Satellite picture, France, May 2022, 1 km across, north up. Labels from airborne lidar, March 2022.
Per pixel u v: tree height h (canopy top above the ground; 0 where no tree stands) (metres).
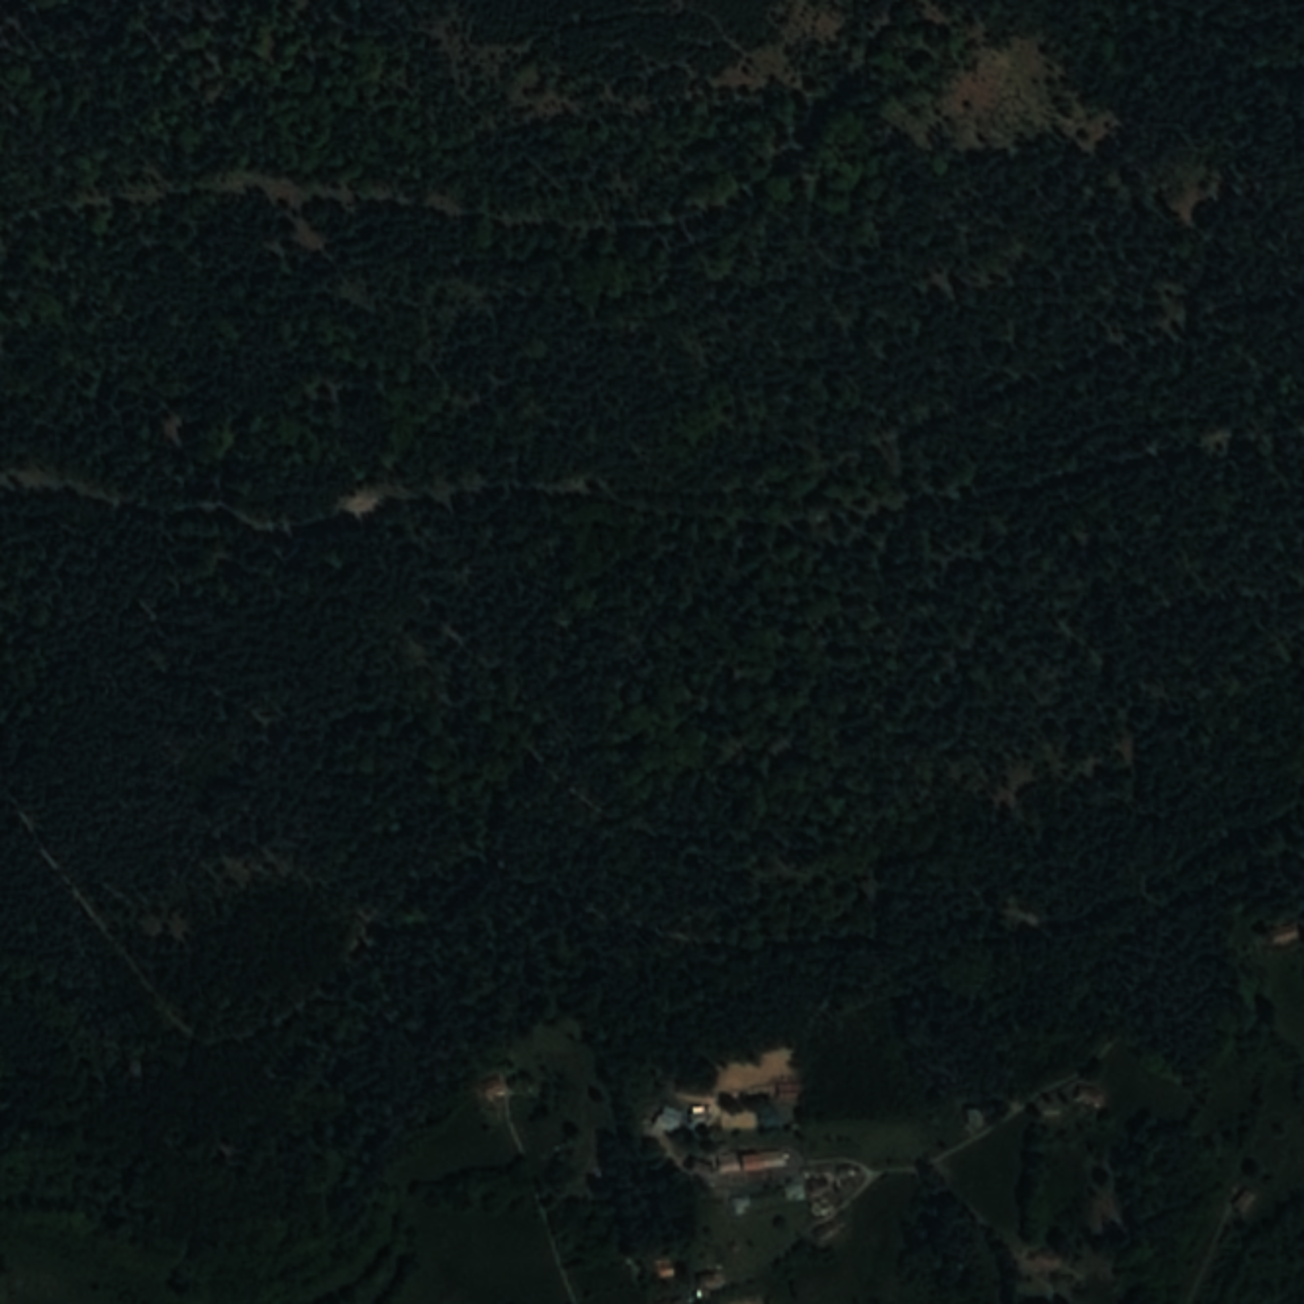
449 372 17
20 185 18
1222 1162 19
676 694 26
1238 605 29
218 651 27
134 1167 16
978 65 7
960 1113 0
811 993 26
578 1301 0
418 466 20
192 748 28
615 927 31
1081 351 27
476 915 25
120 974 18
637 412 24
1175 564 29
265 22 21
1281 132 26
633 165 17
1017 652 24
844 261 28
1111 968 22
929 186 23
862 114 14
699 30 12
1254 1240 15
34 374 22
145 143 19
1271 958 0
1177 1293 12
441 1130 11
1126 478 25
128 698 24
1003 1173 0
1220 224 28
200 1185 23
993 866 23
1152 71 26
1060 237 24
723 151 22
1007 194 26
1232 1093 0
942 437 23
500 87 7
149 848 28
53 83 24
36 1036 18
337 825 32
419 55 8
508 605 21
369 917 31
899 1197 0
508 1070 15
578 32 11
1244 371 29
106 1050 14
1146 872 21
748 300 24
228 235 20
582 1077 0
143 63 25
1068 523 22
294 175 18
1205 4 28
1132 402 21
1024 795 12
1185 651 27
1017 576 28
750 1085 0
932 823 15
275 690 28
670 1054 17
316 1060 34
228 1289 21
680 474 19
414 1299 0
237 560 26
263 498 19
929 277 20
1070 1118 0
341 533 27
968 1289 11
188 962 15
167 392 13
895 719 23
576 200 14
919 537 25
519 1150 0
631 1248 26
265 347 25
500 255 26
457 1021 32
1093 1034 20
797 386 22
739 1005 22
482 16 9
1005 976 20
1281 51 12
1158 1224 28
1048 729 27
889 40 13
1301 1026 0
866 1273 0
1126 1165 19
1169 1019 26
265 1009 15
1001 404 23
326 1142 17
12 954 27
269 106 18
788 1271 8
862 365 26
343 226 21
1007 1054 18
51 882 26
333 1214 26
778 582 22
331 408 23
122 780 25
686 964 13
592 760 26
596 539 22
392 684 28
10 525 23
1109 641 27
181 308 16
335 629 30
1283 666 15
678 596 26
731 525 8
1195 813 22
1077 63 13
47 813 20
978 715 31
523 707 24
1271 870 38
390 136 11
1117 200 29
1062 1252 29
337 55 17
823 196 23
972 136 0
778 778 25
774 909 15
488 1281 0
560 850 24
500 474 23
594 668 25
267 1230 28
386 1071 33
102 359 10
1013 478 26
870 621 25
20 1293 0
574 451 17
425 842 32
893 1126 0
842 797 28
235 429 19
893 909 22
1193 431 14
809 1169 0
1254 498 29
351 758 31
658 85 11
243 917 15
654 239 11
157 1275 0
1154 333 33
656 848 30
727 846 26
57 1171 29
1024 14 8
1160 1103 0
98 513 16
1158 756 22
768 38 7
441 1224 0
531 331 25
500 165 20
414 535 8
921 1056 29
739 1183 0
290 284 21
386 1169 18
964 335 24
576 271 24
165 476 17
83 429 13
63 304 17
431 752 27
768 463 19
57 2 24
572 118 15
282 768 31
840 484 19
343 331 21
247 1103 17
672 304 21
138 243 16
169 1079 16
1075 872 24
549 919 36
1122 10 29
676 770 22
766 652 25
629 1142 24
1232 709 13
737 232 22
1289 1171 0
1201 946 32
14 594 18
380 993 18
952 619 23
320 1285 12
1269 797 23
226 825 26
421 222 18
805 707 33
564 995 24
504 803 26
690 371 20
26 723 27
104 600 23
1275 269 27
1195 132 26
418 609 25
